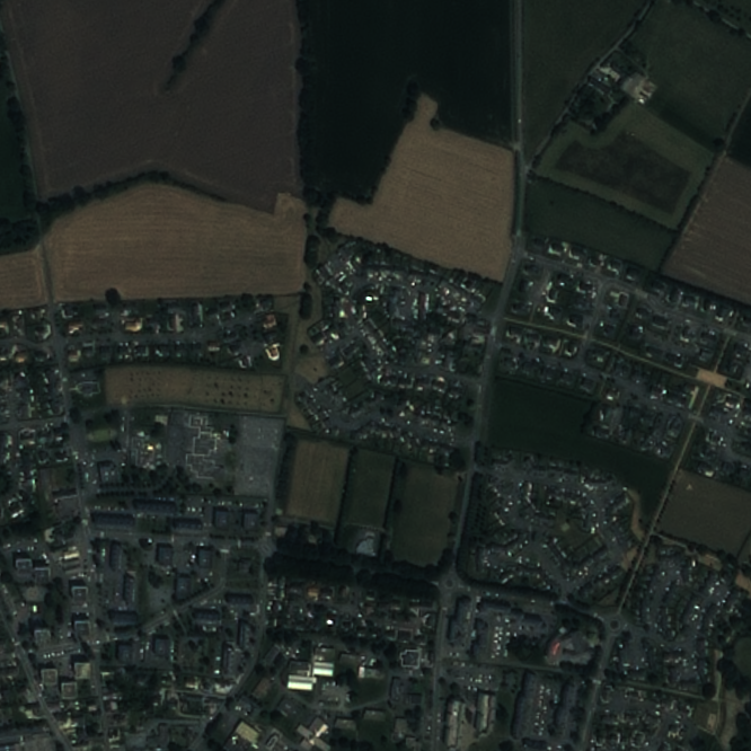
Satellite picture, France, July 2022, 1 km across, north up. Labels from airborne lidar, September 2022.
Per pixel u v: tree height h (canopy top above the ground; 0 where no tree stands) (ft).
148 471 20
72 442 0
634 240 0
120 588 0
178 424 0
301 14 37
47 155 0
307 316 40
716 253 0
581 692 34
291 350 0
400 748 39
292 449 33
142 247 0
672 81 0
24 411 0
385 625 0
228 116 0
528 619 0
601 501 0
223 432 0
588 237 0
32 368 24
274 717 47
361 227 0
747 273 0
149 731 0
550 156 0
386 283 0
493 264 0
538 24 0
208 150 0
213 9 17
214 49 0
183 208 0
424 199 0
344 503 40
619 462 0
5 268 0
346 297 0
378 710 0
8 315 24
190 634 19
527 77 0
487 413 0
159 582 39
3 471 28
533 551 0
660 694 29
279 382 0
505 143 0
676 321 0
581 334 0
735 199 0
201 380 0
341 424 0
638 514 0
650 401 0
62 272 0
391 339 19
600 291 0
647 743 0
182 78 0
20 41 0
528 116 0
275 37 0
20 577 0
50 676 0
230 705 41
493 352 0
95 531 0
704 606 0
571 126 0
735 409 0
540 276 0
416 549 0
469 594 0
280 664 47
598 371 0
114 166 0
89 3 0
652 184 0
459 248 0
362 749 56
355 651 42
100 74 0
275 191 0
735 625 57
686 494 0
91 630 0
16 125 52
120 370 0
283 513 0
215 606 0
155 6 0
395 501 35
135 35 0
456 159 0
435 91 0
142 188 0
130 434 0
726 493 0
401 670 36
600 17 0
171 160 0
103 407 0
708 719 0
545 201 0
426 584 40
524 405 0
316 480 0
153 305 0
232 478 0
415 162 0
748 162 0
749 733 30
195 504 0
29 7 0
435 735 0
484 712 0
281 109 0
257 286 0
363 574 41
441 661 0
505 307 0
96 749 0
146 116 0
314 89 57
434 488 0
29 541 0
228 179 0
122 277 0
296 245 0
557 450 0
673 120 0
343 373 0
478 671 0
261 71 0
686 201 0
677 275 0
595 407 26
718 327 0
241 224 0
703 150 0
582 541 0
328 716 23
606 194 0
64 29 0
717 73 0
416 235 0
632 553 0
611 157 0
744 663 0
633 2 0
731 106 0
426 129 0
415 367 0
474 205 0
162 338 0
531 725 0
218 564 0
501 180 0
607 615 0
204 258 0
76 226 0
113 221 0
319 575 53
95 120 0
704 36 0
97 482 0
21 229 35
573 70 0
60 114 0
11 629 0
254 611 0
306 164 43
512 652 35
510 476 0
